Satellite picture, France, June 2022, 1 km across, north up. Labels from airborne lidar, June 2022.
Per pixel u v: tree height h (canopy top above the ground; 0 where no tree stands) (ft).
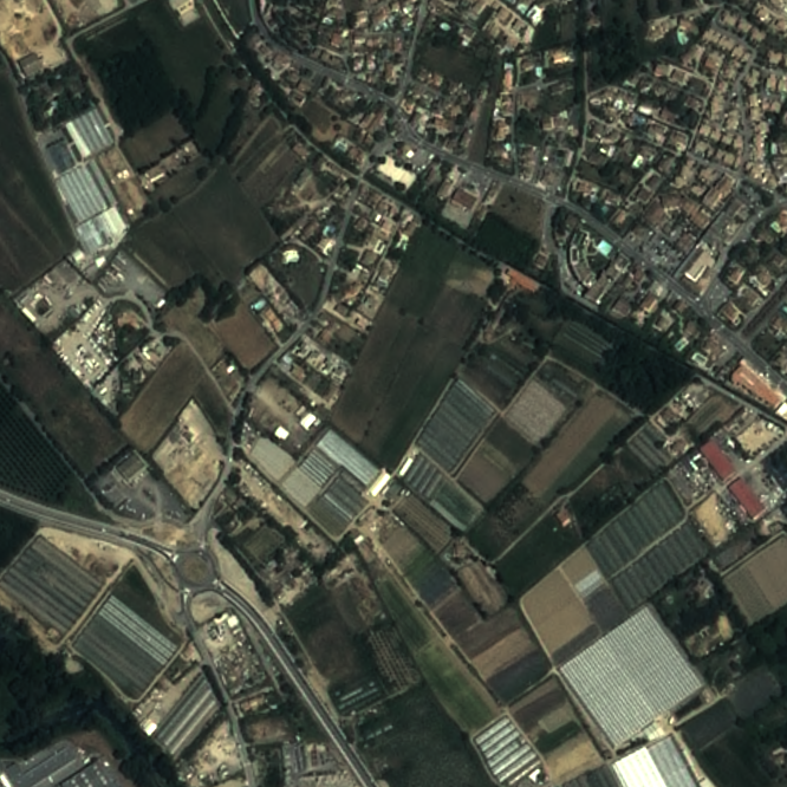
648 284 17
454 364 0
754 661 22
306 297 0
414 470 0
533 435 0
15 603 0
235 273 0
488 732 0
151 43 49
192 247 0
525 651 0
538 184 0
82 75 21
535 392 0
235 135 37
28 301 0
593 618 0
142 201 0
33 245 0
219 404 0
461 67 0
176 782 37
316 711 0
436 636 0
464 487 0
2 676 64
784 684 21
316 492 0
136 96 37
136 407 0
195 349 0
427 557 0
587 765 0
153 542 0
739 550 0
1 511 17
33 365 0
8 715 19
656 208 0
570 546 0
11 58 25
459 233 21
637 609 0
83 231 0
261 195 0
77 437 0
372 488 0
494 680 0
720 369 30
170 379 0
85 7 0
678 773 0
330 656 0
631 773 0
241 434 45
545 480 0
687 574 24
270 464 0
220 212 0
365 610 0
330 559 27
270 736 0
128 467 0
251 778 0
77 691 32
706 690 0
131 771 55
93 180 0
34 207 0
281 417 0
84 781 0
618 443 38
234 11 0
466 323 0
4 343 0
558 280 22
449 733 0
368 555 0
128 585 0
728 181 0
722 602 61
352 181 41
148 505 0
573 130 0
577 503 0
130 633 0
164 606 0
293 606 0
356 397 0
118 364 30
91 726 47
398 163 35
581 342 0
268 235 0
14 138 0
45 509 0
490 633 0
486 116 0
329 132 0
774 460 51
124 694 0
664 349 24
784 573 0
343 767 0
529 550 0
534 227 0
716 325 0
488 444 0
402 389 0
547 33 0
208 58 0
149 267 0
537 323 0
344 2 0
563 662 0
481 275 0
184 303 25
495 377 0
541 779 31
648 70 26
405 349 0
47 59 0
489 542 0
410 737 0
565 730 0
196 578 0
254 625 0
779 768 28
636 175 24
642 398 64
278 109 20
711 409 0
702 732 0
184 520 0
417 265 0
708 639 0
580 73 46
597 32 34
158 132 0
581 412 0
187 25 0
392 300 0
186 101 45
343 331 0
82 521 0
